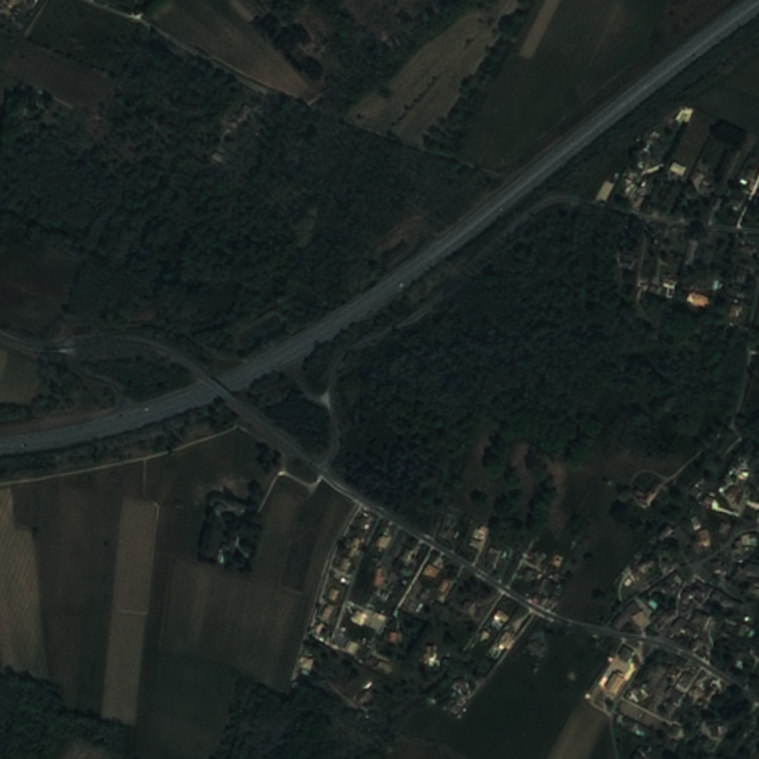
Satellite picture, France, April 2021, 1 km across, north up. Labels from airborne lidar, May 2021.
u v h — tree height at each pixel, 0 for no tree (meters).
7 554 0
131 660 0
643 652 0
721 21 0
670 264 0
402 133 0
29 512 0
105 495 0
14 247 0
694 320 21
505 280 16
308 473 0
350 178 14
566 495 0
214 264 24
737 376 14
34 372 0
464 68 0
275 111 16
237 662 0
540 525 19
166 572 0
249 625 0
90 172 25
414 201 15
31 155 22
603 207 16
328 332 0
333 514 0
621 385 21
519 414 23
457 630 0
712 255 9
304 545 0
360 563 0
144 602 0
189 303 32
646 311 18
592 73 0
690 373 25
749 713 12
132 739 0
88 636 0
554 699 0
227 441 0
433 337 12
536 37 0
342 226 22
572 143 0
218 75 15
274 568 0
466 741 0
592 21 0
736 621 7
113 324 17
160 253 27
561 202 0
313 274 18
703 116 0
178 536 0
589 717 0
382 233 13
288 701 16
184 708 0
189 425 15
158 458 0
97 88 0
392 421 14
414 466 14
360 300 0
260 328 0
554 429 20
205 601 0
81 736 10
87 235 19
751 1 0
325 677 10
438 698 8
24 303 0
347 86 14
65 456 10
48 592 0
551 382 24
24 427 0
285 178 15
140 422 0
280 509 0
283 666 0
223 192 18
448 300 13
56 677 0
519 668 0
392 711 10
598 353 27
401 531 0
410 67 0
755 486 10
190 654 0
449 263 8
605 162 10
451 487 8
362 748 17
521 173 0
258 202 19
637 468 0
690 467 0
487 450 0
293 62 9
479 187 13
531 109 0
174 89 17
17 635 0
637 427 22
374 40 10
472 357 31
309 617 0
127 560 0
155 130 16
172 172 17
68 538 0
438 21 19
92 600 0
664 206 5
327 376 11
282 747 22
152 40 9
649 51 0
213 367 10
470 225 0
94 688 0
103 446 8
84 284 19
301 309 11
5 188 18
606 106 0
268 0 10
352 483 15
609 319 25
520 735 0
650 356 0
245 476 0
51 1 0
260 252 24
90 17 0
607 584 0
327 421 7
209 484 0
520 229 9
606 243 15
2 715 18
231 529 8
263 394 9
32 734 14
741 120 0
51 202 21
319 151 17
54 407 11
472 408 22
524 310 16
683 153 0
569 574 6
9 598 0
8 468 6
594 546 0
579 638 0
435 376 31
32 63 0
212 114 14
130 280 19
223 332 14
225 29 0
